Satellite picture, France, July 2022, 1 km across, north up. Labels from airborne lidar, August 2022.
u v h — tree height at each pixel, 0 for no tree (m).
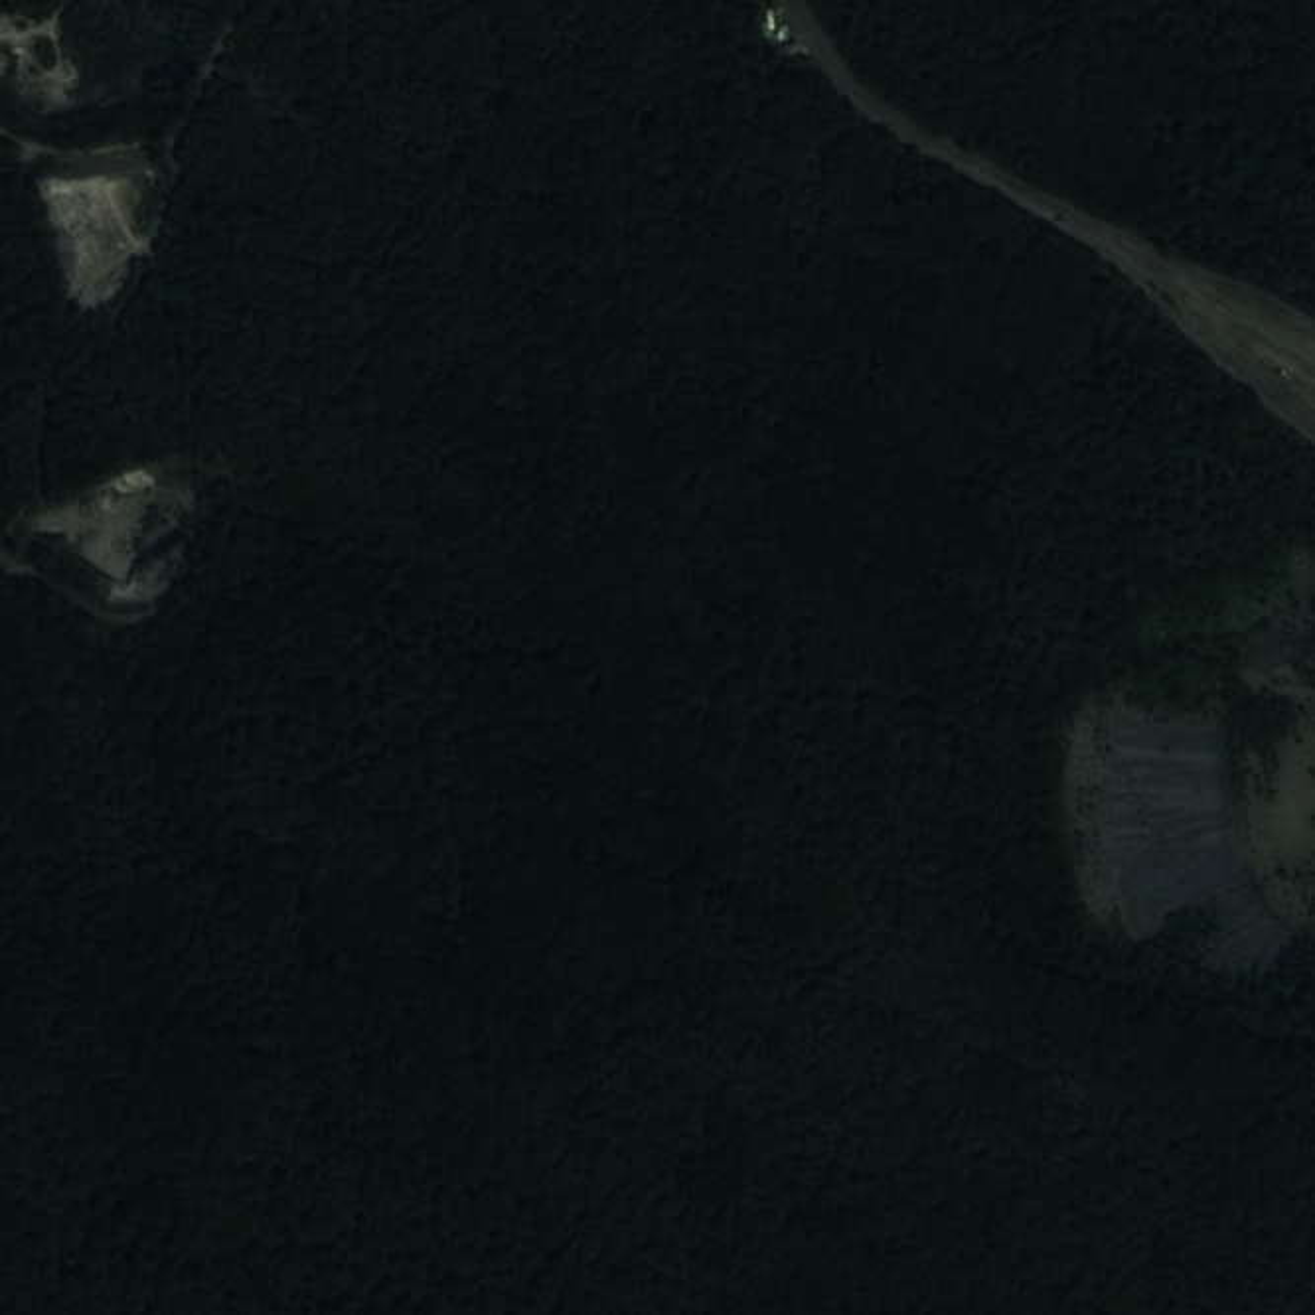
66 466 20
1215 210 23
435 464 17
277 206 13
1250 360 0
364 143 15
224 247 18
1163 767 0
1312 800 0
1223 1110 18
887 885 17
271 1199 20
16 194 13
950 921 17
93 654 16
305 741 14
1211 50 21
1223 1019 21
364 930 18
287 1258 23
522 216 22
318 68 13
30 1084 17
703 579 21
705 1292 22
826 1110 15
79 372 15
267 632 20
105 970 28
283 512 9
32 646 22
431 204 26
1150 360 19
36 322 21
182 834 22
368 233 9
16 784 23
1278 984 10
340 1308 26
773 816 10
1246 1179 16
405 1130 20
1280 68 20
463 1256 21
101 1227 23
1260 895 6
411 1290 18
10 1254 19
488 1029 14
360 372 19
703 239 21
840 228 22
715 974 15
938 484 19
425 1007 22
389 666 22
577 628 21
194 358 15
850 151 19
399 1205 14
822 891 10
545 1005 22
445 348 11
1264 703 9
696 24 20
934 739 20
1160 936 9
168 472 0
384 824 15
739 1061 15
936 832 16
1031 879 10
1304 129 15
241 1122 14
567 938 23
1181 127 25
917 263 30
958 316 21
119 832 10
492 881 24
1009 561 19
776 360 27
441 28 20
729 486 21
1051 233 20
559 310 24
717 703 17
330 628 22
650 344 20
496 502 16
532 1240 10
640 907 24
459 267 20
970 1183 16
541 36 20
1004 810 10
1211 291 0
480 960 25
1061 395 18
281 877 24
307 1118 14
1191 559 12
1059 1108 18
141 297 15
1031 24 10
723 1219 18
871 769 21
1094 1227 20
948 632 22
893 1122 14
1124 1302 18
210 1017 27
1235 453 15
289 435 8
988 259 19
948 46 22
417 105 15
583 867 25
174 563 16
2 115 6
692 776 21
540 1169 12
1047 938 17
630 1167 8
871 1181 15
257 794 8
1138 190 24
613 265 23
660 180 20
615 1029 9
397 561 18
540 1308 18
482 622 21
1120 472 11
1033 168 17
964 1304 17
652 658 20
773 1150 17
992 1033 14
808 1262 17
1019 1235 20
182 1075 29
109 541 0
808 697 14
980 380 22
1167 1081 20
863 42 23
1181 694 15
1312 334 0
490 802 19
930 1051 14
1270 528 11
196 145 10
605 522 18
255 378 15
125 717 20
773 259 20
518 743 19
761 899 21
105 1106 24
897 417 20
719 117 22
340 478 14
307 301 20
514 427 23
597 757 20
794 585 19
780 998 15
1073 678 16
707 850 23
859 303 31
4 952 27
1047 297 21
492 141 17
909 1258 19
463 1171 18
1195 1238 17
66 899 28
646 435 19
